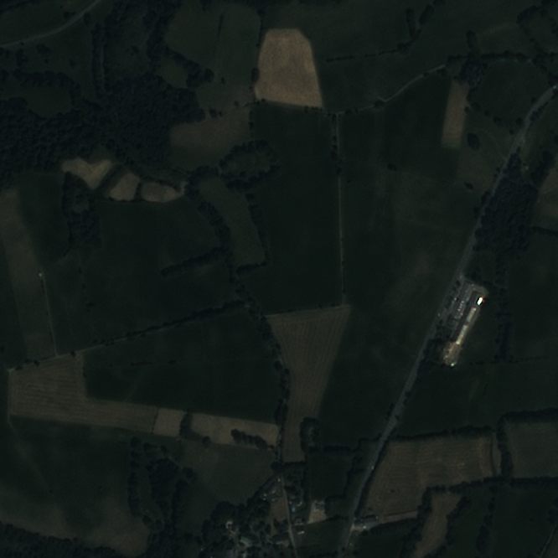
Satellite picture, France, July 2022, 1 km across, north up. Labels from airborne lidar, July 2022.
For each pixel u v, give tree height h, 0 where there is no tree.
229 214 0
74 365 0
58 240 0
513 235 7
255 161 0
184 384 0
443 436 8
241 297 17
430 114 0
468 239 0
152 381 0
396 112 0
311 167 0
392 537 0
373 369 0
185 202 0
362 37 0
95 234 23
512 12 0
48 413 0
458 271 0
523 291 0
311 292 0
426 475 0
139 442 22
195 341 0
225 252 18
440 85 0
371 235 0
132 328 0
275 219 0
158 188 0
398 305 0
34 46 0
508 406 0
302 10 0
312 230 0
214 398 0
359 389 0
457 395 0
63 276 0
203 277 0
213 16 0
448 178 0
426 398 0
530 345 0
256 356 0
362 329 0
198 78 19
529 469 0
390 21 0
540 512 0
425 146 0
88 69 0
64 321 0
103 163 0
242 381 0
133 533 0
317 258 0
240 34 0
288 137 0
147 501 0
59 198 0
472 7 0
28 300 0
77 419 0
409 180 0
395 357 0
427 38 0
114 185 0
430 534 0
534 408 0
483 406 0
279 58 0
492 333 0
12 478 0
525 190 15
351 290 0
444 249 0
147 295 0
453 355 0
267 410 0
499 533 0
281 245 0
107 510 0
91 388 0
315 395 0
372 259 0
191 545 15
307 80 0
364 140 0
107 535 0
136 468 16
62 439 0
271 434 0
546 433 0
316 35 0
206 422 0
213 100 0
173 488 0
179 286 0
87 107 20
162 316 0
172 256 0
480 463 0
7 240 0
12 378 0
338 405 0
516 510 0
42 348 0
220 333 0
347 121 0
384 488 0
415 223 0
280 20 0
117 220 0
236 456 0
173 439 0
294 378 0
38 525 0
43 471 0
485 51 0
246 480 0
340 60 7
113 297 0
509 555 0
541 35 0
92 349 0
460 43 0
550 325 0
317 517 0
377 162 0
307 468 12
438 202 0
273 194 0
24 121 15
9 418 0
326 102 0
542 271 0
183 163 0
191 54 0
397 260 0
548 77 11
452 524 16
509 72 0
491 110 0
